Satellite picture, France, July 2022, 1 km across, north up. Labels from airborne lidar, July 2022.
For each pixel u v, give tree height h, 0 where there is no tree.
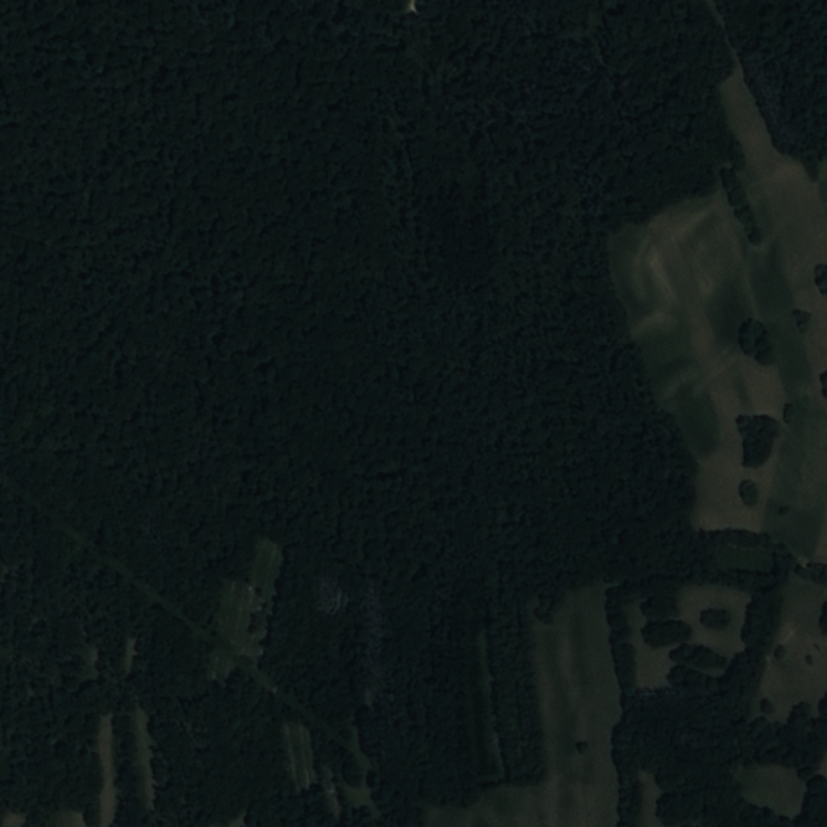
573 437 22
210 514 22
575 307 21
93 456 24
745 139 0
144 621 21
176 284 25
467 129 20
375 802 14
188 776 18
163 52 26
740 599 0
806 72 18
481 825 0
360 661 25
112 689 17
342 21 28
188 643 32
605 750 0
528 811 0
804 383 0
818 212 0
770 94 22
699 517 0
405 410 22
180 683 29
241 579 16
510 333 17
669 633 22
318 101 24
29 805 10
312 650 15
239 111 24
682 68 28
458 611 23
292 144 21
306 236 25
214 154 20
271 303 21
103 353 26
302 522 22
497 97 19
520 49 20
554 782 0
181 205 26
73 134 12
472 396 19
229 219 25
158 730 23
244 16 20
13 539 22
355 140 27
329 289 25
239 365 24
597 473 24
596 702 0
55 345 23
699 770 20
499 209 23
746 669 22
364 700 18
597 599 0
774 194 0
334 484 23
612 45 25
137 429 23
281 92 23
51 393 20
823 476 0
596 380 20
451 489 20
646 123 24
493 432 18
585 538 23
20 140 20
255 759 24
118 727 17
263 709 23
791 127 21
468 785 19
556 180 18
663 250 0
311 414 21
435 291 16
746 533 12
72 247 22
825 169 0
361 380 19
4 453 16
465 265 17
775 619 18
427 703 22
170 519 26
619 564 20
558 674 0
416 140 24
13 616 16
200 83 29
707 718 24
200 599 28
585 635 0
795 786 0
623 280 0
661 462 20
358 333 20
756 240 14
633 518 23
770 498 0
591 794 0
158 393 23
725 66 10
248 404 26
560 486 25
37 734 17
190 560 23
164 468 20
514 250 19
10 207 19
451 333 20
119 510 20
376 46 20
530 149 18
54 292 24
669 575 8
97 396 29
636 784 14
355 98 23
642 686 0
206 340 29
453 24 28
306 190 17
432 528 20
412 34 21
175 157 17
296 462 19
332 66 24
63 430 25
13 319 19
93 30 25
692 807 23
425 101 21
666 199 19
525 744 16
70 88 14
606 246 15
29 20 25
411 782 21
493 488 22
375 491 24
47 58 28
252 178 20
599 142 20
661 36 27
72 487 26
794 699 0
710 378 0
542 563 17
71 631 23
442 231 15
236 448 20
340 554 27
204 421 25
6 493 17
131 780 21
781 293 0
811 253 0
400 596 26
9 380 15
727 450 0
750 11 10
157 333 21
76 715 21
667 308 0
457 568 19
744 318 0
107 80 26
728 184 15
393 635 23
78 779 12
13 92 21
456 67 8
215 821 22
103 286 18
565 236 20
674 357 0
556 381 21
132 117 8
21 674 18
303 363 22
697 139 19
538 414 24
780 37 23
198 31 22
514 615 18
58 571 24
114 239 20
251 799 16
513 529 20
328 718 17
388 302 22
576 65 26
